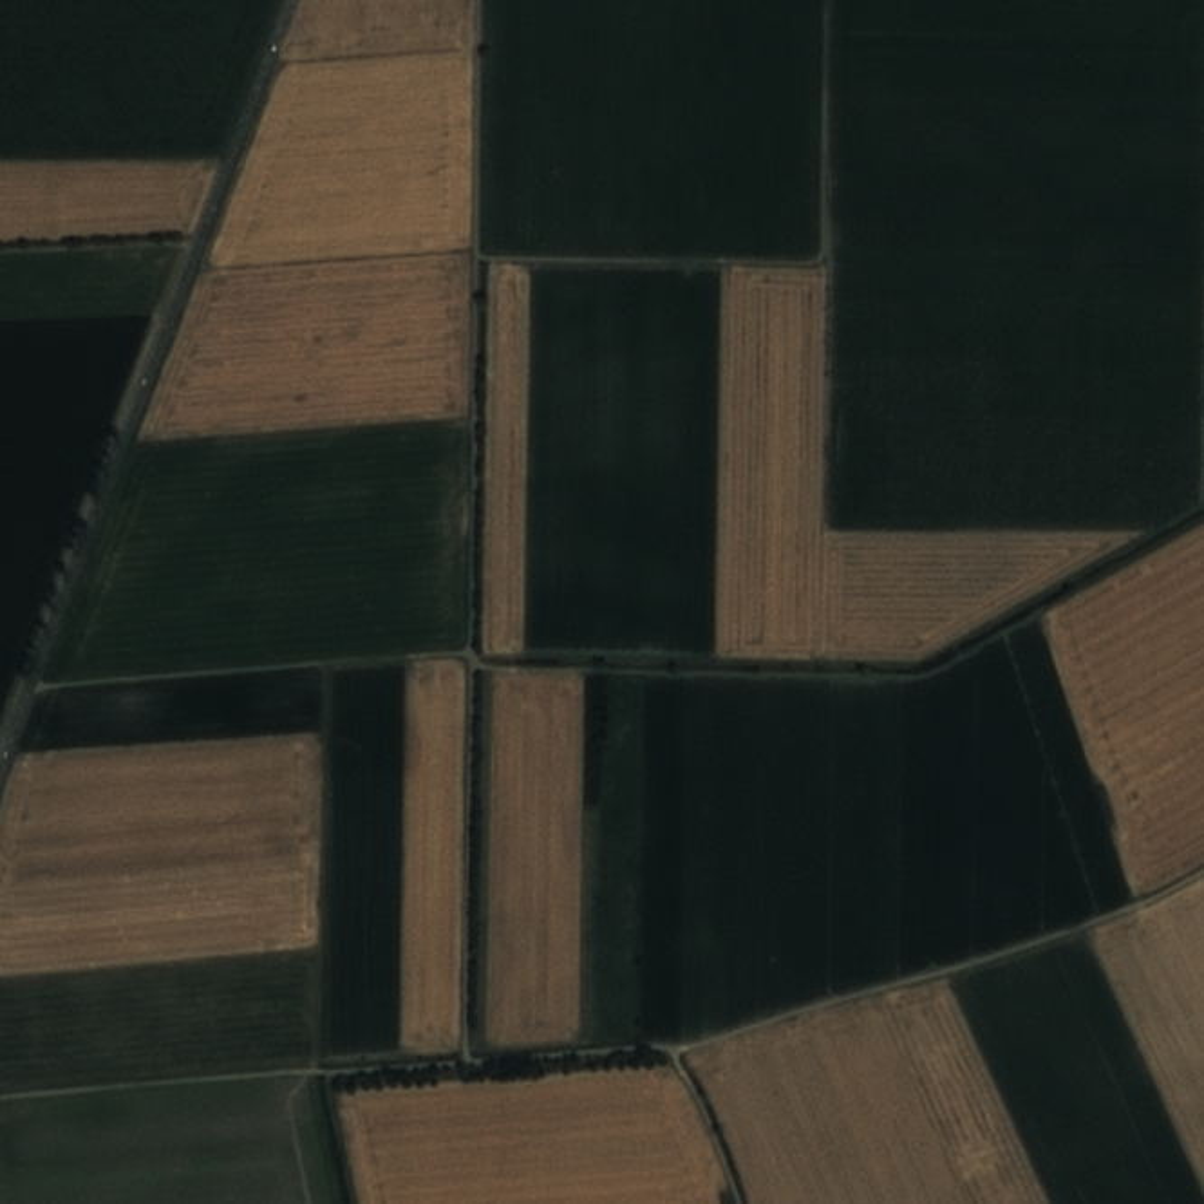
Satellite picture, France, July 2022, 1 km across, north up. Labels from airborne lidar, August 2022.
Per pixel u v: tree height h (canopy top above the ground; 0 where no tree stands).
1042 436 0
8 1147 0
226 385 0
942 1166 0
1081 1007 0
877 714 0
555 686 0
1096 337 0
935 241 0
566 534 0
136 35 0
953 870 0
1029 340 0
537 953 0
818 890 0
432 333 0
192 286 0
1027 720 0
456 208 0
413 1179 0
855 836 0
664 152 0
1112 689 0
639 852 0
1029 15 0
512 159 0
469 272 0
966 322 0
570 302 0
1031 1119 0
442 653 0
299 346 0
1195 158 0
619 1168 0
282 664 0
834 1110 0
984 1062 0
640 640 0
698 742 0
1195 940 0
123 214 0
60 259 0
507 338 0
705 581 0
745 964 0
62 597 18
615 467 0
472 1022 8
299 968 0
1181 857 0
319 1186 0
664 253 0
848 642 0
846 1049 0
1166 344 0
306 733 0
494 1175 0
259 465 0
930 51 0
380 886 0
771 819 0
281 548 0
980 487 0
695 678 0
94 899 0
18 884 0
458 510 0
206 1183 0
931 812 0
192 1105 0
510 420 0
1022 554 0
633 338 0
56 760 0
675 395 0
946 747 0
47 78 0
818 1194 0
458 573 0
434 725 0
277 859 0
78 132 0
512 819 0
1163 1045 0
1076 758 0
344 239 0
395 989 0
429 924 0
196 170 0
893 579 0
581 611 0
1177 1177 0
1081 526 0
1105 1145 0
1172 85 0
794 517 0
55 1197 0
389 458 0
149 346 0
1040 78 0
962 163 0
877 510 0
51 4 0
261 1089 0
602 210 0
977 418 0
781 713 0
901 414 0
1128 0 0
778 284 0
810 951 0
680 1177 0
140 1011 0
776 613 0
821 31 0
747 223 0
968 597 0
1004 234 0
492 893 0
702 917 0
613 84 0
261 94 0
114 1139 0
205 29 0
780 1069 0
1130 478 0
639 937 0
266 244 0
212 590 0
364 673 0
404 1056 0
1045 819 0
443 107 0
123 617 0
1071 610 0
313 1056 0
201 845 0
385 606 0
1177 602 0
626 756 0
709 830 0
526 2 0
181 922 0
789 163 0
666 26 0
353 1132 0
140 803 0
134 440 0
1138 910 0
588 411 0
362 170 0
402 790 0
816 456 0
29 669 19
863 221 0
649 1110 0
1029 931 0
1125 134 0
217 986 0
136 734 0
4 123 0
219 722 0
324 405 0
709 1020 0
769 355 0
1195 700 0
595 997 0
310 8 0
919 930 0
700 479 0
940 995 0
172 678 0
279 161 0
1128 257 0
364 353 0
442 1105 0
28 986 0
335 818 0
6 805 0
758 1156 0
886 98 0
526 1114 0
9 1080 0
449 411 0
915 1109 0
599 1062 5
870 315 0
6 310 0
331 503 0
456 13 0
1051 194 0
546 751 0
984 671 0
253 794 0
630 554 0
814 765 0
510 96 0
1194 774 0
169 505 0
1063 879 0
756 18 0
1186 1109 0
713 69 0
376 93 0
